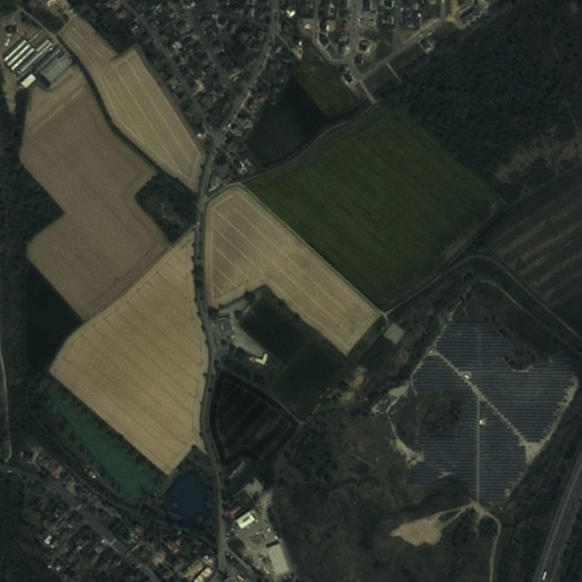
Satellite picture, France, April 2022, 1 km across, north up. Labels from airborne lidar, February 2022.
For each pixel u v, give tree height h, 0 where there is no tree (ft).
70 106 0
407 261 0
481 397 0
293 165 0
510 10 0
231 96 0
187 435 0
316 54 0
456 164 0
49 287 0
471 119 39
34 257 0
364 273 0
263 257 0
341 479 0
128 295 0
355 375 0
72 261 0
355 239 0
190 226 0
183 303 0
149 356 0
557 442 32
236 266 0
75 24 0
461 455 0
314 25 0
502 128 21
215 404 0
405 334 0
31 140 0
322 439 31
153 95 0
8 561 27
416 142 0
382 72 0
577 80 37
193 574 0
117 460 0
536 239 0
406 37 0
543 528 40
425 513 0
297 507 0
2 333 0
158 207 0
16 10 0
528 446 0
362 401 0
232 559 40
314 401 0
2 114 32
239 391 0
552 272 0
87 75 0
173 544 0
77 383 0
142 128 0
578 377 0
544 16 56
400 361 0
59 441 0
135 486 0
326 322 0
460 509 0
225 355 0
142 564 0
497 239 0
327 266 0
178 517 0
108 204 0
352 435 0
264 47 0
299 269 0
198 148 0
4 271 36
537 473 26
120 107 0
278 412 0
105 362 0
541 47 0
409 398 0
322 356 0
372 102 0
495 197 0
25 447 0
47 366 0
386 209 0
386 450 0
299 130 0
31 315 0
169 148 0
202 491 0
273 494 0
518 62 42
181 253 0
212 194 0
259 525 0
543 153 0
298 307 0
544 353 0
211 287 0
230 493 0
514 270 0
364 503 0
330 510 0
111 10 30
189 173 0
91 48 0
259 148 0
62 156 0
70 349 0
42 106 0
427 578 0
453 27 0
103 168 0
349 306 0
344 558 0
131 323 0
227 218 0
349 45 0
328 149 0
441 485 0
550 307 0
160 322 0
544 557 0
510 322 0
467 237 0
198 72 0
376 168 0
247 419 0
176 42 0
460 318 0
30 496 0
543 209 0
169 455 0
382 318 0
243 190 0
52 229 0
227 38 0
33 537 0
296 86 0
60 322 0
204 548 24
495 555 0
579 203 0
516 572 0
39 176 0
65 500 0
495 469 0
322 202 0
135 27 0
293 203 0
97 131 0
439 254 0
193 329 0
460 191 0
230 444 0
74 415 0
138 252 0
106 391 0
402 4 0
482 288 0
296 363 0
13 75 0
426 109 51
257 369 0
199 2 0
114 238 0
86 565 0
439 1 0
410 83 52
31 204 21
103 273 0
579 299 0
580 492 0
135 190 0
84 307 0
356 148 0
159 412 0
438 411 0
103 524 0
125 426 0
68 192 0
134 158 0
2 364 0
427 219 0
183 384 0
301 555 0
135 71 0
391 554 0
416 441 0
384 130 0
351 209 0
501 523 0
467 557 0
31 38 0
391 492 0
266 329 0
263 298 0
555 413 0
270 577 0
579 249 0
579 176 0
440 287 0
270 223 0
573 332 0
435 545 0
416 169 0
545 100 20
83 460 0
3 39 0
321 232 0
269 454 0
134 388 0
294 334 0
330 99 0
